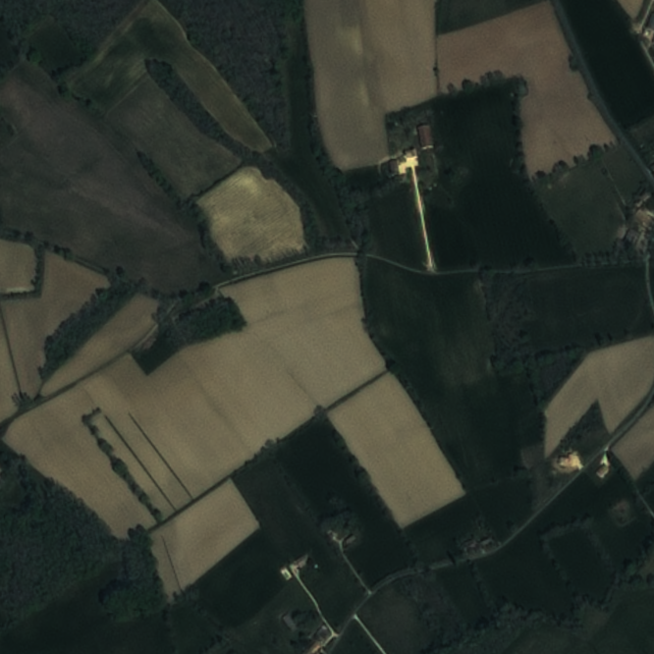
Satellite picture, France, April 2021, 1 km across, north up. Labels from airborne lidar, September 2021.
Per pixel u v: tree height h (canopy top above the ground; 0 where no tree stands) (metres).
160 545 0
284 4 28
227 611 0
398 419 0
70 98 19
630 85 0
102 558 25
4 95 0
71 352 19
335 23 0
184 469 0
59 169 0
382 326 0
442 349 0
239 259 0
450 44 0
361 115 0
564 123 0
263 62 14
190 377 0
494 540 6
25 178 0
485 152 0
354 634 0
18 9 18
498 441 0
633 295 0
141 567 26
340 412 0
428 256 0
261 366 0
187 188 0
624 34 0
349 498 0
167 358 0
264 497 0
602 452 0
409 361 0
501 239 0
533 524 0
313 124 10
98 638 0
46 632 0
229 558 0
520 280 0
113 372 0
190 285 0
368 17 0
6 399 0
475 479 0
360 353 0
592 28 0
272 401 0
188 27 9
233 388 0
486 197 0
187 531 0
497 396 0
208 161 0
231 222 0
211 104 0
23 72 0
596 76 0
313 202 0
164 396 0
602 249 0
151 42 0
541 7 0
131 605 28
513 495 0
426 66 0
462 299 0
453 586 0
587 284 0
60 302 0
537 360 12
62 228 0
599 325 0
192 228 0
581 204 0
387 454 0
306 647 9
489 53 0
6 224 0
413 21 0
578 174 0
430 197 12
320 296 0
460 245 0
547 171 0
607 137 0
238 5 16
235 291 0
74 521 21
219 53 19
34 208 0
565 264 0
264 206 0
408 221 0
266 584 0
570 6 0
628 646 0
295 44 0
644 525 0
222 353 0
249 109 12
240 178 0
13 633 0
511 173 0
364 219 21
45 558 21
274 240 0
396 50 0
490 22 0
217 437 0
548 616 8
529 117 0
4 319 0
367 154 0
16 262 0
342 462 0
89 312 16
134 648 0
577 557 0
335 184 17
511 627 20
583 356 14
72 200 0
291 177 0
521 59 0
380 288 0
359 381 0
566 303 0
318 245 13
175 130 0
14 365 0
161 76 15
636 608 0
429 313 0
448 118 0
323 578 0
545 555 13
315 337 0
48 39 0
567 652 0
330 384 0
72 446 0
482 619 0
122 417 0
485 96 0
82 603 0
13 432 0
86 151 0
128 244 0
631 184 0
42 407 0
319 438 0
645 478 0
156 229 0
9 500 0
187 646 0
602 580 0
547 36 0
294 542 0
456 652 17
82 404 0
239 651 0
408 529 0
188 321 15
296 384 0
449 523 0
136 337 0
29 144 0
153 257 0
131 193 0
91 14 17
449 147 0
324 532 16
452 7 0
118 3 13
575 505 0
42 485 0
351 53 0
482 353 0
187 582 0
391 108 0
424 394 0
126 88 0
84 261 0
